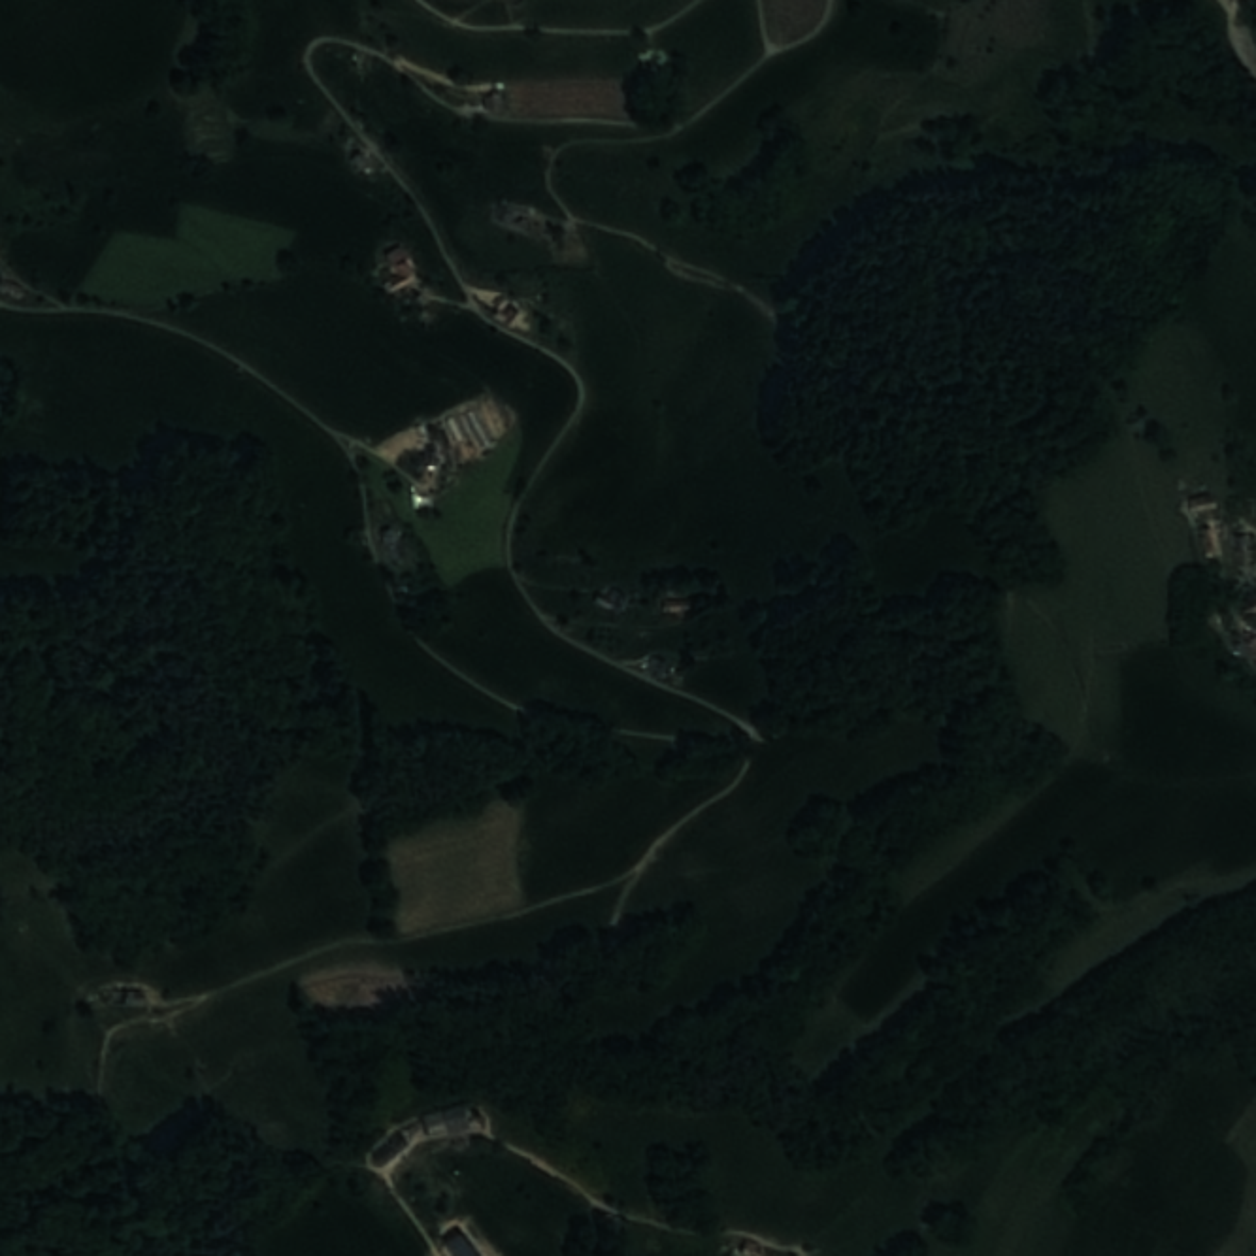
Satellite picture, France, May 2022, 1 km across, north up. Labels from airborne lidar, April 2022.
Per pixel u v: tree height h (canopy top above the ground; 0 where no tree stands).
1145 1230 0
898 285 33
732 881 0
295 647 27
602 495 0
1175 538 0
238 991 0
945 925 0
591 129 0
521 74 0
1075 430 24
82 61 0
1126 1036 10
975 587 21
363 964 0
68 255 0
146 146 0
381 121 0
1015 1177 0
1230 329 0
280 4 0
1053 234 31
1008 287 23
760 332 0
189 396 0
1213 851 0
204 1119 30
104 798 26
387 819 22
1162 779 0
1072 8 0
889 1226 0
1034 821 0
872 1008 0
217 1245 25
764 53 0
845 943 25
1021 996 23
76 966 0
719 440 0
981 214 28
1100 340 23
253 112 0
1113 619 0
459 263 0
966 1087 25
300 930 0
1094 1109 0
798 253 0
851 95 0
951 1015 24
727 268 0
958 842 0
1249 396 0
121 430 0
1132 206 18
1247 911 18
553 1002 24
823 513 0
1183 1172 0
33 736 23
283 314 0
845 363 29
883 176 0
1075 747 0
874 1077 24
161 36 0
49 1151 35
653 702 0
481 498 0
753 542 0
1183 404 0
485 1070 31
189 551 32
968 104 0
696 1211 24
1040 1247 0
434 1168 0
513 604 0
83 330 0
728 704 0
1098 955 0
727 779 0
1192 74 28
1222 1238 0
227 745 16
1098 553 0
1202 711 0
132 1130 0
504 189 0
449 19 0
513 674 0
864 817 25
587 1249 14
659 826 0
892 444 28
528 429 0
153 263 0
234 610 31
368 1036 26
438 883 0
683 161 0
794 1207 0
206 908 22
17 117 0
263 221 0
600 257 0
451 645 0
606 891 0
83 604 30
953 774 20
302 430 0
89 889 25
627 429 0
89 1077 0
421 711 0
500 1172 0
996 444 26
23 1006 0
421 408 0
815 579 8
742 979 0
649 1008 0
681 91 18
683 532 0
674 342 0
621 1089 26
